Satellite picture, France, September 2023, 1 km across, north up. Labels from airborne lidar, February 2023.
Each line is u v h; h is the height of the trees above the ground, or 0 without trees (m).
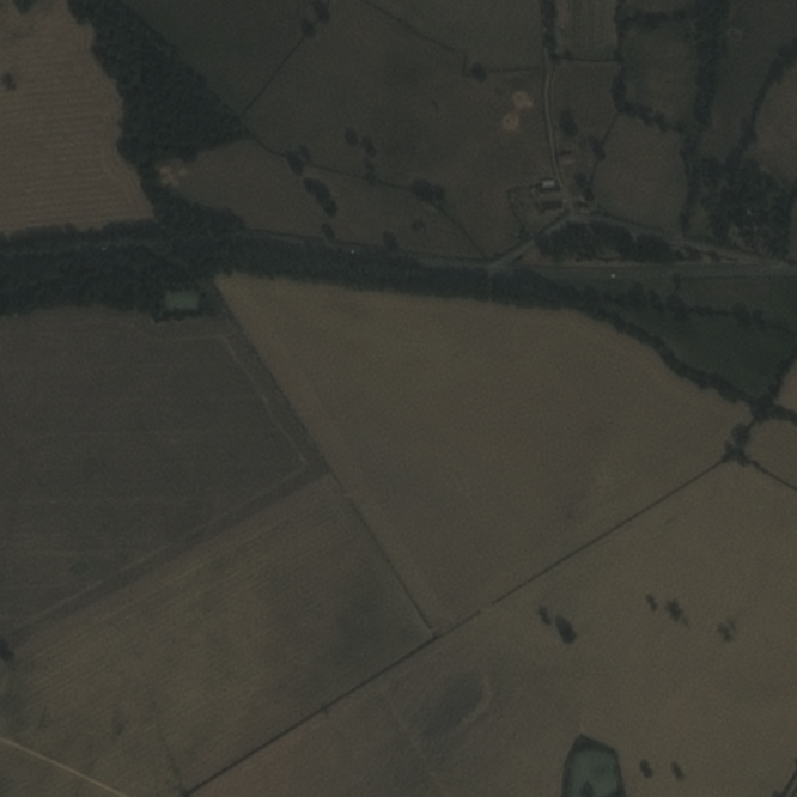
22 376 0
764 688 0
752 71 0
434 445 0
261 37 0
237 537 0
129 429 0
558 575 0
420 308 0
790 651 0
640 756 0
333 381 0
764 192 16
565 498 0
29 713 0
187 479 0
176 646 0
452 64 0
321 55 0
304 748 0
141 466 0
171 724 0
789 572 0
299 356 0
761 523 0
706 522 0
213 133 10
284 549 0
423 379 0
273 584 0
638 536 0
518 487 0
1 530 0
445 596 0
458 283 16
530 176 0
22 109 0
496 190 0
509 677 0
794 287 0
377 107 0
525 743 0
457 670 0
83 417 0
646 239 12
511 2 0
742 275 0
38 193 0
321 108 0
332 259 18
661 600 0
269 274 13
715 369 0
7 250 15
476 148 0
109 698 0
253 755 0
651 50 0
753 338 0
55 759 0
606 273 0
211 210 0
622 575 0
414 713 0
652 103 0
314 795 0
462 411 0
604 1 0
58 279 15
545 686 0
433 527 0
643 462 0
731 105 0
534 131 0
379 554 0
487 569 0
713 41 8
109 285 20
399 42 0
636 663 0
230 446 0
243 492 0
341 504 0
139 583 0
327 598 0
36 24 0
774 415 9
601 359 0
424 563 0
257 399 0
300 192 0
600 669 0
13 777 0
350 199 0
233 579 0
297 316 0
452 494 0
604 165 0
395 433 0
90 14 17
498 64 0
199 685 0
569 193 0
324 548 0
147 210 0
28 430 0
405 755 0
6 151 0
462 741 0
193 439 0
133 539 0
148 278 15
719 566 0
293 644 0
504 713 0
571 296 18
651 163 0
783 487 0
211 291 0
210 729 0
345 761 0
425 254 0
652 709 0
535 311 0
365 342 0
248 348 0
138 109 13
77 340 0
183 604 0
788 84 0
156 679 0
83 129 0
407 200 0
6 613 0
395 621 0
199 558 0
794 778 0
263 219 0
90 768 0
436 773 0
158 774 0
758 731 0
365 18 0
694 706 0
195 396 0
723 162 0
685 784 0
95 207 0
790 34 0
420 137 0
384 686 0
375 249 0
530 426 0
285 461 0
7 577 0
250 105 0
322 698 0
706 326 0
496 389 0
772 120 0
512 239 0
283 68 0
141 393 0
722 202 9
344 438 0
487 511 0
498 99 0
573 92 0
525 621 0
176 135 13
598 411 0
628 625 0
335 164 0
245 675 0
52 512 0
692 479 0
